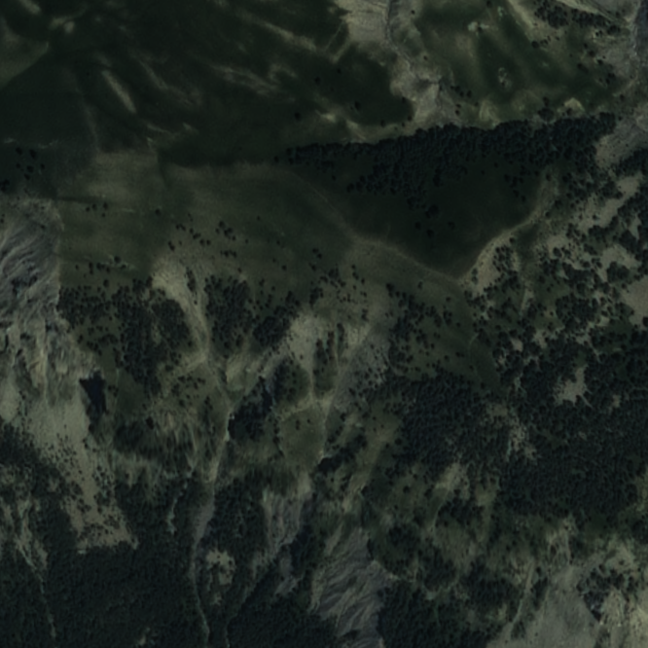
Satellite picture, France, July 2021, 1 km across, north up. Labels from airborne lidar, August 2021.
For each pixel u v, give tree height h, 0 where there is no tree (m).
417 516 9
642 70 0
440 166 20
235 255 8
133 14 0
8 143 0
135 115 0
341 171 0
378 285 0
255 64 0
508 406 8
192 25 0
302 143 0
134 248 0
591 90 0
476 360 0
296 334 0
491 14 0
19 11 0
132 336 11
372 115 0
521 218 0
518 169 0
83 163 0
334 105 0
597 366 18
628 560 0
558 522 0
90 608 14
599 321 6
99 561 17
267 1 0
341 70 9
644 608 0
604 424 11
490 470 6
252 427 17
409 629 17
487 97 0
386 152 20
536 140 10
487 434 11
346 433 0
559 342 12
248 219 0
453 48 0
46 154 0
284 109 0
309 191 0
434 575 7
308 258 0
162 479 6
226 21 0
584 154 13
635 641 0
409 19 0
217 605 8
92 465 0
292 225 0
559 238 0
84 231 0
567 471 14
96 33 0
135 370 10
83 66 0
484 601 13
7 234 0
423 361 0
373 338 0
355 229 0
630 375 9
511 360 18
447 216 0
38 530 9
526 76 0
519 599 6
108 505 6
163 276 0
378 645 0
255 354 0
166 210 0
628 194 0
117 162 0
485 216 0
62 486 10
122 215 0
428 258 0
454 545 0
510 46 0
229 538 11
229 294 11
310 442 0
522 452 8
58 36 0
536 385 16
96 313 9
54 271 0
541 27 0
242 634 17
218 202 0
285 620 18
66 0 0
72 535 10
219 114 0
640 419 16
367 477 0
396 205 0
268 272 0
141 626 10
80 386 0
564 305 8
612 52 0
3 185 8
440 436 9
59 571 14
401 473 12
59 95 0
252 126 0
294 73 0
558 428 6
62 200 0
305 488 0
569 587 0
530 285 0
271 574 9
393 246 0
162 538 7
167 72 0
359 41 0
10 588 8
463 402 8
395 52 0
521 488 16
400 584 12
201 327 0
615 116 10
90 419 13
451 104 0
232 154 0
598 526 0
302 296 0
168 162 0
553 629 0
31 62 0
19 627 12
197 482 9
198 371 0
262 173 0
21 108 0
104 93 0
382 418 0
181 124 0
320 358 10
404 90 0
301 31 0
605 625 0
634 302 0
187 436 8
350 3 0
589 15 8
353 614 0
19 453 14
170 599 17
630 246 7
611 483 13
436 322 8
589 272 10
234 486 9
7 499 12
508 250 12
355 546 0
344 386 0
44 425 0
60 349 0
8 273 0
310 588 7
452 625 9
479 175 0
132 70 0
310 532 13
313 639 11
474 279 7
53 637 14
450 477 0
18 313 0
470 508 10
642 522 14
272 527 0
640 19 0
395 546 14
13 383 0
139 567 16
